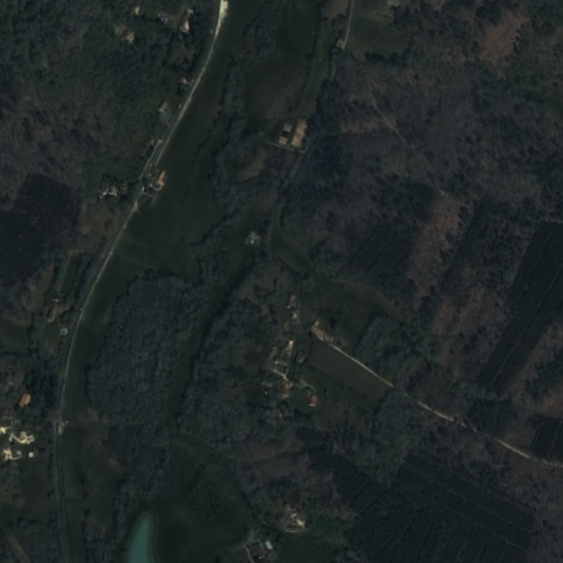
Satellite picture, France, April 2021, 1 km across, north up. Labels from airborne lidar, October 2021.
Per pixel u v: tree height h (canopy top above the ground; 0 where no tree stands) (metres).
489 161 17
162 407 19
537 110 15
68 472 0
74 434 0
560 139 10
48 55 26
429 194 21
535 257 10
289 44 0
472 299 14
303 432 17
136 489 21
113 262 0
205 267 18
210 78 0
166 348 24
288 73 0
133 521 0
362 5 0
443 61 22
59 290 21
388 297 22
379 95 16
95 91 23
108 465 0
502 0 6
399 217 12
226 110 20
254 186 14
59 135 19
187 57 0
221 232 12
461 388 17
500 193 17
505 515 14
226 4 0
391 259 20
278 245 0
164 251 0
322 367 0
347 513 14
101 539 7
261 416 19
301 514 17
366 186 14
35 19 20
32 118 18
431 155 10
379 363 17
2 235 7
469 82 16
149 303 20
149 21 15
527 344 7
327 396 7
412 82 14
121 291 0
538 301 9
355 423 6
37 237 9
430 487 15
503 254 21
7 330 0
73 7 25
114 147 19
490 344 7
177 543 0
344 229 20
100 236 0
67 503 0
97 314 0
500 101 15
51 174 28
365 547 20
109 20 20
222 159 17
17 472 15
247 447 17
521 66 23
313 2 0
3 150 14
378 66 27
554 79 14
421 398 11
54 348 0
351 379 0
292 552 0
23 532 21
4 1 23
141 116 28
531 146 13
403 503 21
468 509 14
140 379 25
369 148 14
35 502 0
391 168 13
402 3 0
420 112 15
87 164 21
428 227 7
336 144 16
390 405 17
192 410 16
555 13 18
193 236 0
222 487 9
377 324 19
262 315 11
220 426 24
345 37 14
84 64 19
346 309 0
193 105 0
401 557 20
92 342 0
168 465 10
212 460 10
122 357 21
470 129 16
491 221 15
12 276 7
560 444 7
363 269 17
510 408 19
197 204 0
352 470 17
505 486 10
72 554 0
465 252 17
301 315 0
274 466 17
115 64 25
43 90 21
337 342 0
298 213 12
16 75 25
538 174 15
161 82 23
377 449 20
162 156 0
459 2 21
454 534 9
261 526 7
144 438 18
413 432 18
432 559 21
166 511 0
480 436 7
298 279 10
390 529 20
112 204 16
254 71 0
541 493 9
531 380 8
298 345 7
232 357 22
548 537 13
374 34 0
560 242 10
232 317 20
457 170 12
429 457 12
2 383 24
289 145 0
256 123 0
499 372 10
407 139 10
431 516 12
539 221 15
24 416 12
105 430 0
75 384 0
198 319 13
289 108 0
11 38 25
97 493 0
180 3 20
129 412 24
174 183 0
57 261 25
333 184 21
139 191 0
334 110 23
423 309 0
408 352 17
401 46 0
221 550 0
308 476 10
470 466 11
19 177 22
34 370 16
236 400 17
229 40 0
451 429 11
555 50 11
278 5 18
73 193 10
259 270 17
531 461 10
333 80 8
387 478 12
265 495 20
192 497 16
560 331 12
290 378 6
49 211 8
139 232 0
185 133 0
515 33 16
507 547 13
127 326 17
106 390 21
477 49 15
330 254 15
